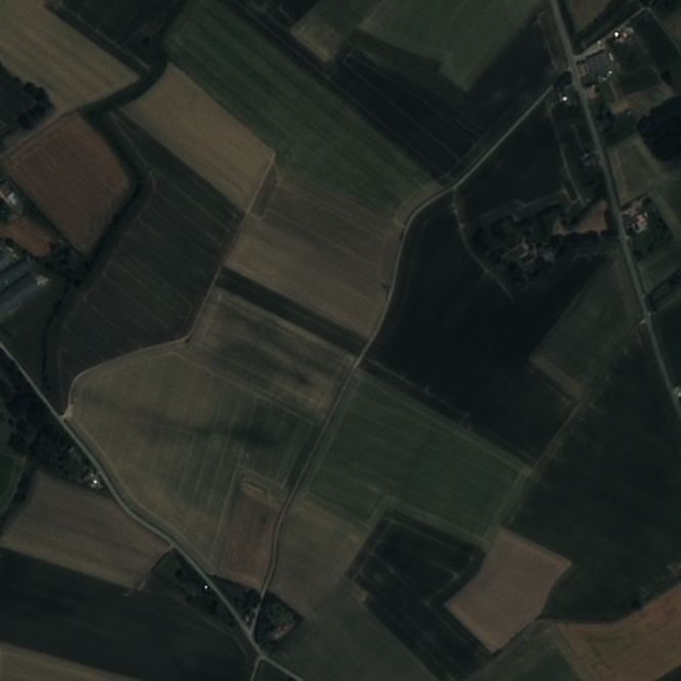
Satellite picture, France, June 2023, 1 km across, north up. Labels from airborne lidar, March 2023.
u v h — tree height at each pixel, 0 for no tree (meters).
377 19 0
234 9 0
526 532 0
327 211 0
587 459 0
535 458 0
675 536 0
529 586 0
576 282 0
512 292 0
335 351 0
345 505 0
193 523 0
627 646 0
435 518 0
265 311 0
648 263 0
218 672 0
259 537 0
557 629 0
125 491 0
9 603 0
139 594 0
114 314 0
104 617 0
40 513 0
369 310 0
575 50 0
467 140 0
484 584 0
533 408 0
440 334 0
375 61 0
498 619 0
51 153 0
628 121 0
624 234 0
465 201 0
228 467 0
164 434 0
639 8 0
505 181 0
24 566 0
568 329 0
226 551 0
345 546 0
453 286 0
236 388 0
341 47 0
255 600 10
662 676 0
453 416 0
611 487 0
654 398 0
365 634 0
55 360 0
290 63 0
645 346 0
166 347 0
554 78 0
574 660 0
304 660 0
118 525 0
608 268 0
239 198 0
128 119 0
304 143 0
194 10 0
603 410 0
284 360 0
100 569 0
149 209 0
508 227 0
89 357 0
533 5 0
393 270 0
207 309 0
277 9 0
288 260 0
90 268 19
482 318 0
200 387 0
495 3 0
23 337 0
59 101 0
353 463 0
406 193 0
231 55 0
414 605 0
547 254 0
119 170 0
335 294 0
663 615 0
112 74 0
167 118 0
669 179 0
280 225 0
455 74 0
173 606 0
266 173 0
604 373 0
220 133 0
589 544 0
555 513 0
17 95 0
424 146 0
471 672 0
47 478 0
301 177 0
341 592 0
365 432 0
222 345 0
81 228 0
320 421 0
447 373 0
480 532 0
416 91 0
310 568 0
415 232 0
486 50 0
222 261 0
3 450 0
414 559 0
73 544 0
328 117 0
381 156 0
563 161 0
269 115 0
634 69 0
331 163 0
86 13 0
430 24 0
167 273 0
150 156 0
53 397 0
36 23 0
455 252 0
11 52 0
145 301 0
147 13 0
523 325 0
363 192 0
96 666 0
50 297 0
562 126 0
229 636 0
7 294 0
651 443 0
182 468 0
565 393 0
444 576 0
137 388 0
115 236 0
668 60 0
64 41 0
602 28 0
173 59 0
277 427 0
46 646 0
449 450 0
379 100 0
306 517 0
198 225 0
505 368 0
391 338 0
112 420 0
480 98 0
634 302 0
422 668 0
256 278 0
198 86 0
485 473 0
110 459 0
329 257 0
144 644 0
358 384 0
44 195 0
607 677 0
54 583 0
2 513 0
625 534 0
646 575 0
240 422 0
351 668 0
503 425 0
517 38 0
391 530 0
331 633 0
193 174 0
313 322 0
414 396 0
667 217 0
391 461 0
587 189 0
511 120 0
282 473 0
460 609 0
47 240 0
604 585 0
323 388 0
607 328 0
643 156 0
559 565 0
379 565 0
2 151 0
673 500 0
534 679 0
